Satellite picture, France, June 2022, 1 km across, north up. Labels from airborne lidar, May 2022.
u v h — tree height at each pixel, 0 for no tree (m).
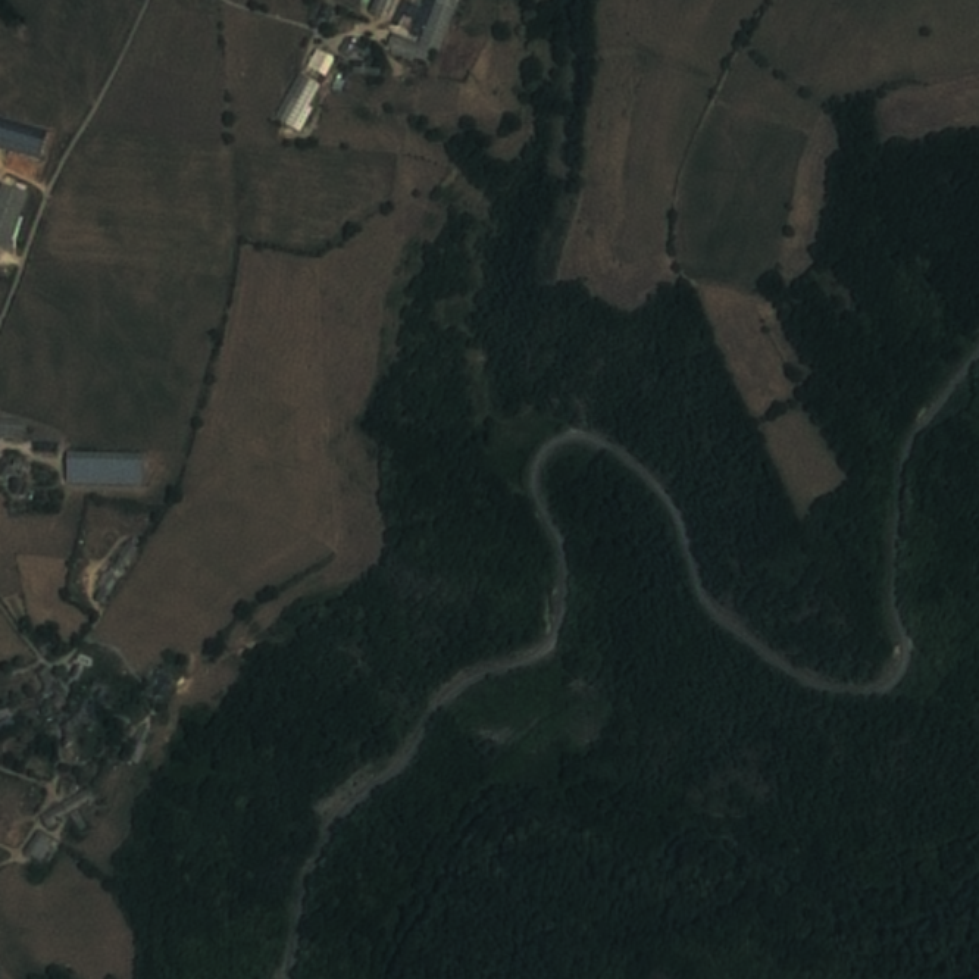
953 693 18
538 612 13
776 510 17
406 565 15
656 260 0
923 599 20
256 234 0
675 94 0
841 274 18
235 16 0
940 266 20
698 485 19
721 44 0
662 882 13
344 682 20
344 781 11
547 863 27
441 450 18
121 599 0
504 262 10
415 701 13
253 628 0
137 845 13
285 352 0
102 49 0
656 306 7
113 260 0
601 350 8
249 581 0
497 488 23
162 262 0
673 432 9
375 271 0
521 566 14
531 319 8
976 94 0
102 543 0
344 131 0
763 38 0
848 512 19
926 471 16
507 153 0
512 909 19
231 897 14
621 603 23
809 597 6
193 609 0
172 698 0
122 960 0
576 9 22
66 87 0
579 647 12
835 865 16
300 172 0
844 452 20
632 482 17
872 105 9
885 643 7
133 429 0
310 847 21
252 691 14
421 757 10
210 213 0
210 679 0
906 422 19
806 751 13
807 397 20
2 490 7
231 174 0
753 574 12
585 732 0
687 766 18
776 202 0
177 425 0
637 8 0
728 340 0
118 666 0
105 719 9
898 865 26
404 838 24
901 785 13
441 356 14
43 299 0
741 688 10
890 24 0
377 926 16
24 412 0
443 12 0
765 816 12
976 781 12
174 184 0
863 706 17
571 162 17
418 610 11
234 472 0
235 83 0
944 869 19
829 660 13
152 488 0
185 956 16
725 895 34
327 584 0
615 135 0
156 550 0
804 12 0
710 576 10
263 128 0
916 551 16
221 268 0
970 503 17
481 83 0
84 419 0
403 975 24
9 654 0
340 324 0
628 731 7
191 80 0
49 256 0
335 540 0
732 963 14
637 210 0
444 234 12
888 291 19
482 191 13
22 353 0
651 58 0
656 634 12
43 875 0
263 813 21
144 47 0
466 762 18
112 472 0
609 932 21
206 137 0
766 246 0
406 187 0
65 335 0
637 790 6
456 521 6
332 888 19
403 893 12
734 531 11
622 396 13
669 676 21
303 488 0
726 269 0
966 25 0
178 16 0
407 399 17
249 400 0
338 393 0
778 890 23
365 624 16
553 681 0
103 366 0
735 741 9
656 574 15
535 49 8
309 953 16
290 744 23
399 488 15
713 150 0
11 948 0
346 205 0
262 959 6
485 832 25
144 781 0
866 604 6
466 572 11
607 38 0
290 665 11
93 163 0
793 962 18
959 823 18
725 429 14
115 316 0
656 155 0
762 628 8
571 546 17
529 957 20
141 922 16
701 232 0
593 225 0
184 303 0
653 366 15
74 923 0
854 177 17
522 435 0
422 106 0
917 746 11
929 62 0
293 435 0
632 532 17
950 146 17
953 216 16
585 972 16
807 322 19
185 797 18
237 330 0
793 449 0
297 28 0
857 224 19
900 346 14
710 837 6
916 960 22
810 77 0
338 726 21
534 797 26
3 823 0
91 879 9
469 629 17
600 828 10
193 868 15
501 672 0
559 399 11
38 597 0
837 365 17
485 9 0
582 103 18
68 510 0
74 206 0
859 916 9
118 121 0
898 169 15
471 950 23
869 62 0
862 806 14
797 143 0
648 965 21
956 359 15
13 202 0
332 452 0
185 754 15
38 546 0
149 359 0
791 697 14
